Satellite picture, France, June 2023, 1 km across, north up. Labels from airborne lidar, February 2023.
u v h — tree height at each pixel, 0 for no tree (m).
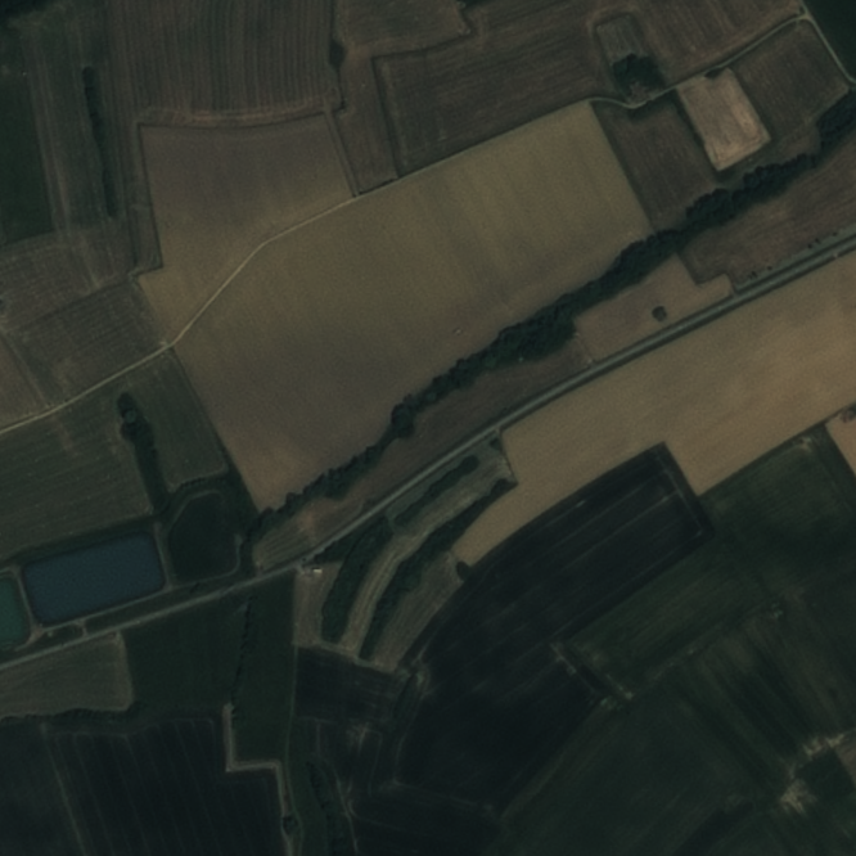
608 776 0
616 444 0
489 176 0
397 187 0
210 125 0
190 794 0
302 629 0
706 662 0
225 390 0
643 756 0
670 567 0
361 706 0
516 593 0
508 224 0
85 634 0
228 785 0
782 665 0
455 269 0
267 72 0
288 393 0
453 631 0
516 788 0
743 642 0
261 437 0
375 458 10
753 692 0
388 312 0
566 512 0
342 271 0
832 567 0
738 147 0
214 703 0
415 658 0
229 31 0
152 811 0
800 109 0
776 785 0
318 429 0
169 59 0
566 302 9
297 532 0
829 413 0
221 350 0
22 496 0
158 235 0
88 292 0
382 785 0
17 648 0
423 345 0
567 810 0
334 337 0
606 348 0
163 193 0
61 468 0
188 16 0
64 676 0
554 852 0
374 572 0
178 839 0
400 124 0
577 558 0
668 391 0
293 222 0
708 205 19
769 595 0
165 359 0
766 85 0
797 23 0
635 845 0
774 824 0
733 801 0
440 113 0
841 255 0
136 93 0
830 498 0
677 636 0
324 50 0
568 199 0
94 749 0
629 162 0
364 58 0
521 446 0
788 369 0
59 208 0
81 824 0
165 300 0
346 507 0
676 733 0
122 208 0
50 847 0
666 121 0
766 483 0
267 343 0
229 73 0
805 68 0
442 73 0
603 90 0
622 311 0
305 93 0
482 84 0
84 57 0
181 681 0
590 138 0
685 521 0
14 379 0
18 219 0
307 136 0
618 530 0
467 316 0
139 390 0
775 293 0
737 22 0
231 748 0
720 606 0
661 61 0
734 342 0
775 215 0
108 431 0
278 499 0
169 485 0
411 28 0
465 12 0
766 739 0
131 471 0
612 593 0
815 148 0
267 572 0
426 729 0
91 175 0
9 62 0
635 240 0
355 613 0
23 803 0
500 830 0
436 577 0
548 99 0
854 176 0
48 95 0
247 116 0
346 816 0
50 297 0
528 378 0
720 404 0
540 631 0
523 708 0
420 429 0
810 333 0
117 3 0
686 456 0
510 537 0
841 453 0
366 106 0
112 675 0
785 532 0
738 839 0
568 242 0
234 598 0
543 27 0
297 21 0
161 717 0
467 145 0
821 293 0
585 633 0
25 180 0
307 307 0
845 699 0
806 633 0
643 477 0
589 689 0
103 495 0
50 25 0
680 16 0
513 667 0
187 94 0
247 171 0
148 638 0
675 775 0
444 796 0
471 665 0
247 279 0
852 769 0
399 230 0
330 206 0
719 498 0
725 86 0
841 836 0
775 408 0
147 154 0
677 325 0
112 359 0
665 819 0
